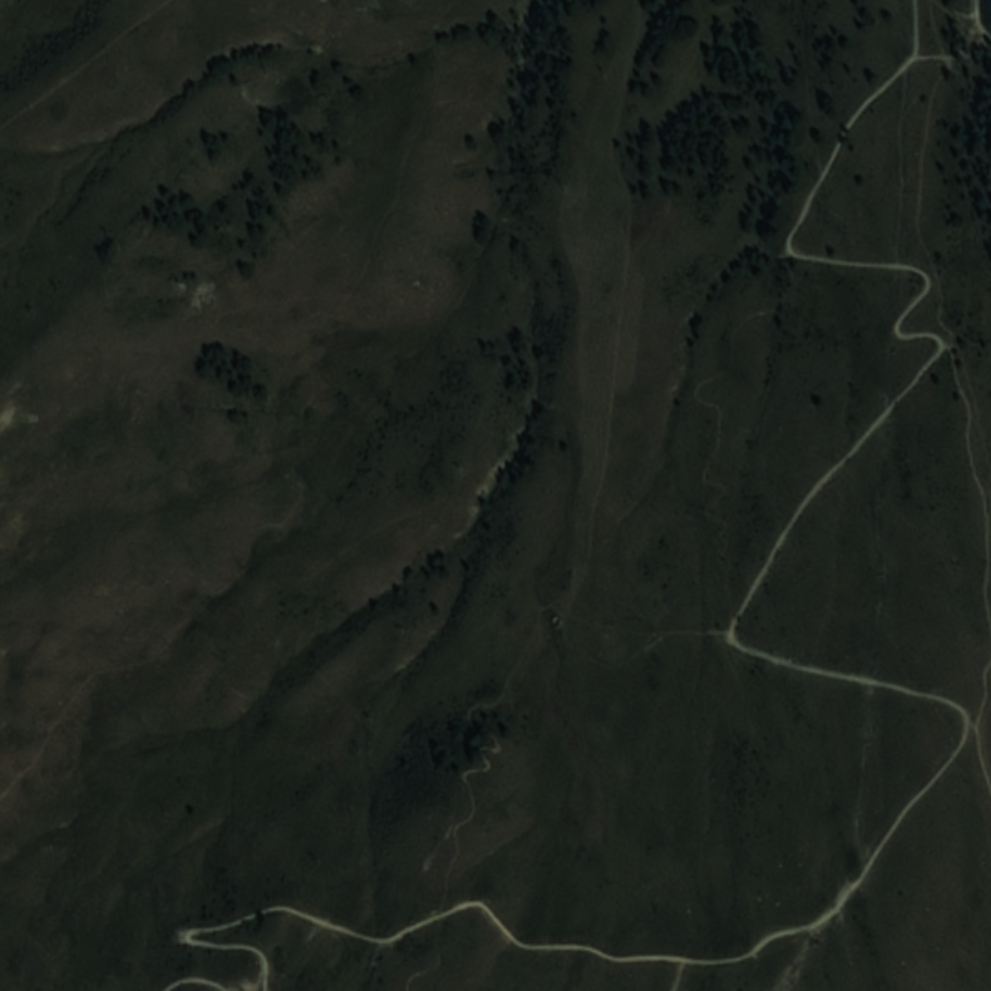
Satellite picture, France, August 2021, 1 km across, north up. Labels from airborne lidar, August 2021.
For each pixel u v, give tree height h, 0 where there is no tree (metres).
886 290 0
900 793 0
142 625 0
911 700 0
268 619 0
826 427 0
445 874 0
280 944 0
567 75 16
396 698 0
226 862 0
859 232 0
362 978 0
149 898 0
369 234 0
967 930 0
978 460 0
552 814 0
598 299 0
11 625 0
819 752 0
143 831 0
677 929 0
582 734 0
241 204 0
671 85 0
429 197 0
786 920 0
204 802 0
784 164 24
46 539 0
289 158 17
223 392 0
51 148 0
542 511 0
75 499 0
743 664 0
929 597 0
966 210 0
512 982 0
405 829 0
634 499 0
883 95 0
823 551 0
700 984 0
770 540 0
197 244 15
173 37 0
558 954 0
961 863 0
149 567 0
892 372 0
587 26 0
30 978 0
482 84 0
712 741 0
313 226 0
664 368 0
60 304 0
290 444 0
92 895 0
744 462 0
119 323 0
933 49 0
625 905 0
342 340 0
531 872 0
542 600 0
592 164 0
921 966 0
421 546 0
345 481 0
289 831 0
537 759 0
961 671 0
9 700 0
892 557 0
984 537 0
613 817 0
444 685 0
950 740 0
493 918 0
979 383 0
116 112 0
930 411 0
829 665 0
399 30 0
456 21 0
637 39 0
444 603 0
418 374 0
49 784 0
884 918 0
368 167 0
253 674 0
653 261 0
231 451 0
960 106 0
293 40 0
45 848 0
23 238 0
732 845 0
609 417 0
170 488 0
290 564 0
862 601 0
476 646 0
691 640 0
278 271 0
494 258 0
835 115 16
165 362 0
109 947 0
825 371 0
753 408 0
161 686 0
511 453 0
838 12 0
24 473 0
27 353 0
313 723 0
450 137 0
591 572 0
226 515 0
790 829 0
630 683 0
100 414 0
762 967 0
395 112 0
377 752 0
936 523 0
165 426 0
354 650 0
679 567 0
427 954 0
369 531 0
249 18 0
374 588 0
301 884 0
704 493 0
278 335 0
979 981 0
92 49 0
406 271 0
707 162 15
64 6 0
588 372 0
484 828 0
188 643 0
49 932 0
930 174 0
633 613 0
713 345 0
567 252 0
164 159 0
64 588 0
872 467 0
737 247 0
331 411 0
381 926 0
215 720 0
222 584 0
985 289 0
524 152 6
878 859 0
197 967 0
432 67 0
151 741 0
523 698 0
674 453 0
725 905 0
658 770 0
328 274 0
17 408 0
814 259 0
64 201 0
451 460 0
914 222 0
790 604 0
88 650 0
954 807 0
